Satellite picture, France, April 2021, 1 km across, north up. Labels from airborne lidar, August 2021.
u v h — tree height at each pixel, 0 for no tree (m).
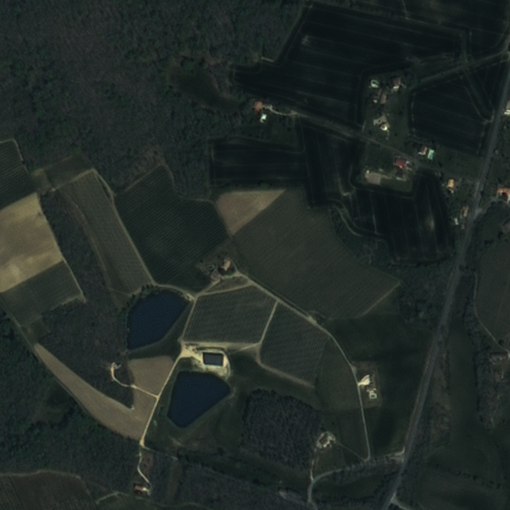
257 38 18
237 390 0
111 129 19
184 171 19
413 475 21
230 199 0
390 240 0
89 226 0
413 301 12
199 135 19
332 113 0
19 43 22
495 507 0
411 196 0
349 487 0
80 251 14
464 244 0
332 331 0
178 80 10
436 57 0
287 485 0
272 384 0
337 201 0
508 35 0
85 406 0
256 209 0
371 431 0
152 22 21
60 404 0
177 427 0
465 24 0
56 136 23
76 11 15
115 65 16
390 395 0
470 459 0
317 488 0
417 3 0
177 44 22
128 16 17
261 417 17
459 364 0
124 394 14
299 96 0
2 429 20
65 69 20
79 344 10
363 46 0
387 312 0
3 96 10
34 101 25
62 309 11
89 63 18
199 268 0
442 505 0
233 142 0
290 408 14
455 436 0
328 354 0
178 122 23
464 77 0
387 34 0
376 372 0
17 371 23
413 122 0
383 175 0
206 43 23
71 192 0
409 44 0
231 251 0
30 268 0
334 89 0
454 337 0
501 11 0
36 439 25
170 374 0
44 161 18
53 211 17
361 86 0
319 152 0
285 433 11
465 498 0
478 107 0
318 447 13
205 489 18
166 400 0
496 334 0
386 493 9
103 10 12
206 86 0
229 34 22
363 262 8
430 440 14
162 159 10
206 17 27
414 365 0
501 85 0
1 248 0
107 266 0
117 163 21
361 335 0
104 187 0
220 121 25
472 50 0
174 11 24
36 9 22
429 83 0
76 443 24
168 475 17
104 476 18
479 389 14
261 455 12
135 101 16
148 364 0
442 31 0
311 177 0
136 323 0
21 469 16
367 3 0
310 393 0
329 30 0
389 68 0
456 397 0
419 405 0
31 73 23
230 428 0
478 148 0
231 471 0
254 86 0
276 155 0
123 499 0
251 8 20
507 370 0
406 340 0
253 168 0
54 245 0
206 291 0
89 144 19
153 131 14
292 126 14
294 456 8
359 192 0
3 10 23
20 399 19
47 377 23
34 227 0
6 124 18
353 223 0
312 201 0
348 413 0
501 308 0
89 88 18
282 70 0
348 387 0
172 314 0
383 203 0
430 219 0
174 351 0
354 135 0
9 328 13
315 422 16
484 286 0
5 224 0
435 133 0
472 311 9
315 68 0
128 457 20
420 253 0
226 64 11
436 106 0
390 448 0
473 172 0
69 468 17
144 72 18
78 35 15
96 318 16
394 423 0
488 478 0
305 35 0
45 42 18
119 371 6
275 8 22
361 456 0
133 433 0
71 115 21
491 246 13
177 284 0
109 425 0
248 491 22
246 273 0
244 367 0
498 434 0
